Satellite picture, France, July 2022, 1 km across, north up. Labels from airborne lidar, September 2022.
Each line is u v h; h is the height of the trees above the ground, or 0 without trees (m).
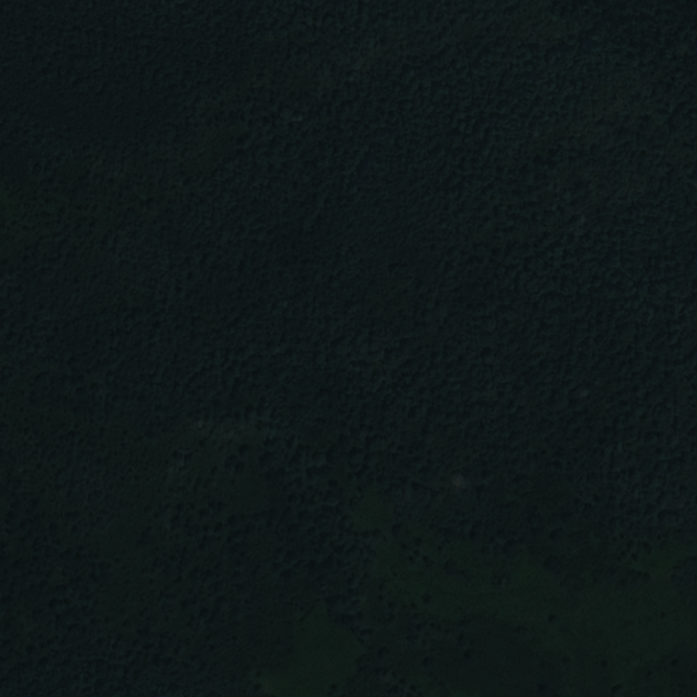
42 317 16
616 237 28
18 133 17
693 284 18
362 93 20
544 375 23
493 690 7
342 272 21
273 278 19
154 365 21
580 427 11
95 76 25
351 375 18
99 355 17
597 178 16
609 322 21
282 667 7
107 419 12
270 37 15
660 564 0
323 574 20
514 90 9
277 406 6
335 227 18
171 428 17
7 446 6
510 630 7
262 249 24
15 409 6
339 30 17
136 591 11
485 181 21
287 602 7
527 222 26
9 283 7
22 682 18
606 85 18
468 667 6
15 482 17
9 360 9
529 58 21
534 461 24
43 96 21
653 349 23
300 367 21
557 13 26
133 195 15
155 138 8
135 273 15
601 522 8
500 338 11
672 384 25
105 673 18
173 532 8
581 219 20
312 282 18
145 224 15
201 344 16
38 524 22
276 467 13
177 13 22
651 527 27
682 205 23
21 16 24
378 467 8
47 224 10
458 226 6
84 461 18
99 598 9
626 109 20
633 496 17
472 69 16
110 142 13
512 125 17
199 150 11
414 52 12
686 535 9
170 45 25
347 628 9
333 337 11
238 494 7
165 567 20
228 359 19
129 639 14
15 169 19
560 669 7
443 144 18
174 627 11
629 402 21
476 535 23
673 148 22
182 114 19
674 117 18
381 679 10
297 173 16
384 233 20
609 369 18
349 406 14
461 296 19
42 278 19
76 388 9
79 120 18
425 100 25
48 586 20
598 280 37
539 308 34
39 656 23
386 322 13
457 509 8
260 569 15
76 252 16
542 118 18
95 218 6
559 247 28
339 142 18
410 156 17
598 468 7
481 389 13
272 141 16
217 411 15
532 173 35
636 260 17
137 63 27
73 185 9
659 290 28
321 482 32
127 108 17
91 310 6
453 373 12
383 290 13
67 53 24
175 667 17
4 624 9
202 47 26
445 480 9
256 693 8
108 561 9
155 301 14
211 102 10
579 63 24
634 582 8
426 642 12
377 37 16
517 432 24
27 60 12
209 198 18
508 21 18
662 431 19
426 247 22
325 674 0
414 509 11
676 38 18
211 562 11
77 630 21
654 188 20
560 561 16
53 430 8
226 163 18
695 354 18
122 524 9
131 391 15
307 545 8
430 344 7
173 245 15
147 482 9
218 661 9
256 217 7
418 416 25
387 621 17
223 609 23
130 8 29
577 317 13
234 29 26
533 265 25
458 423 16
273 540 9
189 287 7
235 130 7
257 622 9
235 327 18
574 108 10
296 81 8
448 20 7
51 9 19
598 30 27
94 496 14
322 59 9
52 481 8
